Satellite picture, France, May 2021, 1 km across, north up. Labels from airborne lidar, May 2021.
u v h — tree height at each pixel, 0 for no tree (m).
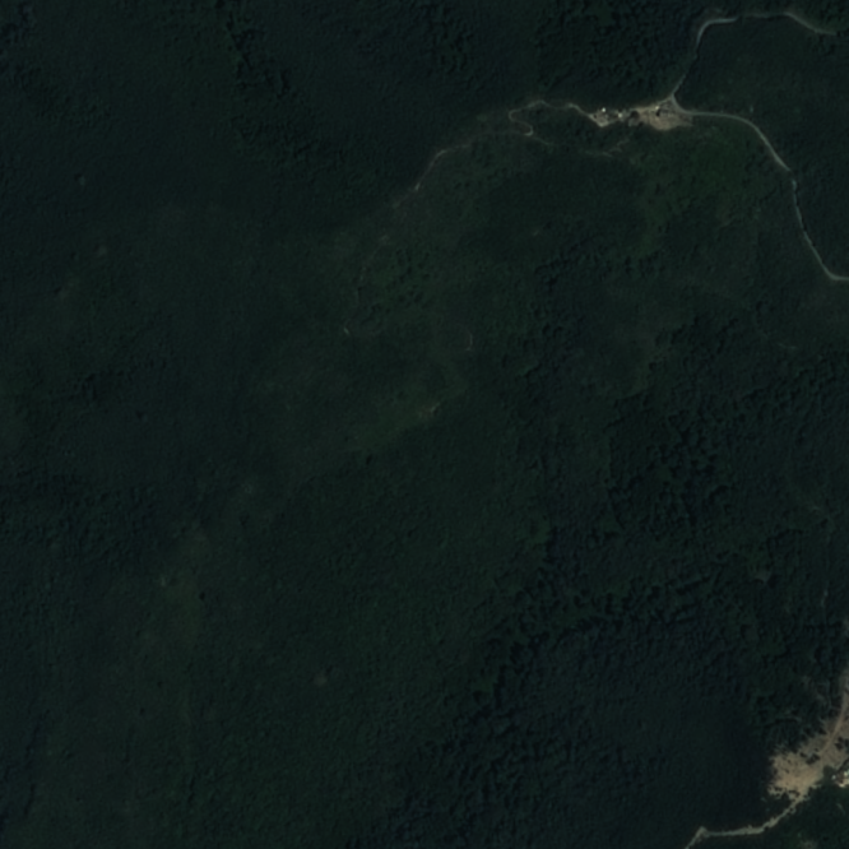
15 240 7
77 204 7
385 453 5
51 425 19
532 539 8
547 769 16
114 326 8
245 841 10
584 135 11
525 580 21
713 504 20
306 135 10
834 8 11
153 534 10
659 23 9
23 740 8
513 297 6
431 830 20
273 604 7
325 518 7
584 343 8
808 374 17
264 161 7
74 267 6
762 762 6
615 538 20
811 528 7
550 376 16
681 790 8
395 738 21
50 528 13
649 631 23
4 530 8
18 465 15
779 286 8
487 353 6
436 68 8
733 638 11
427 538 6
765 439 10
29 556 7
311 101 6
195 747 7
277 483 6
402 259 11
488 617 19
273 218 7
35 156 8
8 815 9
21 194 8
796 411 11
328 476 10
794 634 15
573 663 10
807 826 8
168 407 8
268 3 6
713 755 8
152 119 6
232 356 7
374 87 6
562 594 14
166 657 6
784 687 6
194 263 6
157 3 8
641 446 21
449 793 25
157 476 8
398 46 8
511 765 17
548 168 11
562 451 14
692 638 13
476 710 9
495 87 8
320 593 7
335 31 7
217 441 9
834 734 0
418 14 7
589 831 8
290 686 7
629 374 8
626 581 9
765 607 18
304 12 8
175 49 10
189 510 8
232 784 11
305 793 10
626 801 10
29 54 7
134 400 7
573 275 7
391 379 7
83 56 5
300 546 7
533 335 17
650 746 7
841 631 19
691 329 10
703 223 9
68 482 20
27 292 8
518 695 21
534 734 25
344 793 16
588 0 16
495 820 17
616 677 13
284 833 10
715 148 0
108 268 6
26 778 6
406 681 10
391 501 9
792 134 7
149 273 6
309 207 7
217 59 9
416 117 7
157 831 5
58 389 6
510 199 7
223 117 6
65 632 6
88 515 9
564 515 21
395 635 12
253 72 19
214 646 9
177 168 5
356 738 13
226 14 20
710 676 14
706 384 8
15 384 10
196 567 10
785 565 7
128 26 7
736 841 6
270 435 5
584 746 23
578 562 16
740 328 16
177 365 8
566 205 9
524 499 12
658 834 7
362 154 6
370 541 9
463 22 8
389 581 12
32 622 8
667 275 8
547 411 15
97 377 19
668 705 6
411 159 6
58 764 6
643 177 6
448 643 8
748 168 10
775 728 11
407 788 29
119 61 7
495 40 7
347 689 14
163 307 7
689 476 20
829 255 9
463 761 22
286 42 6
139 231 6
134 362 12
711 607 9
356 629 11
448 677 20
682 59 16
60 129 7
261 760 12
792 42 6
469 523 7
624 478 24
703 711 7
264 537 7
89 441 8
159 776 8
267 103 8
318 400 6
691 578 16
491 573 9
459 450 7
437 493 7
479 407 6
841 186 7
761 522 7
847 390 7
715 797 7
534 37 10
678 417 19
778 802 6
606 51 17
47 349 7
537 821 11
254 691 7
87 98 10
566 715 11
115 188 5
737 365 7
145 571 8
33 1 8
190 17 11
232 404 6
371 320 11
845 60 6
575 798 12
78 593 5
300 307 6
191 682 6
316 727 8
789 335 7
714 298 8
